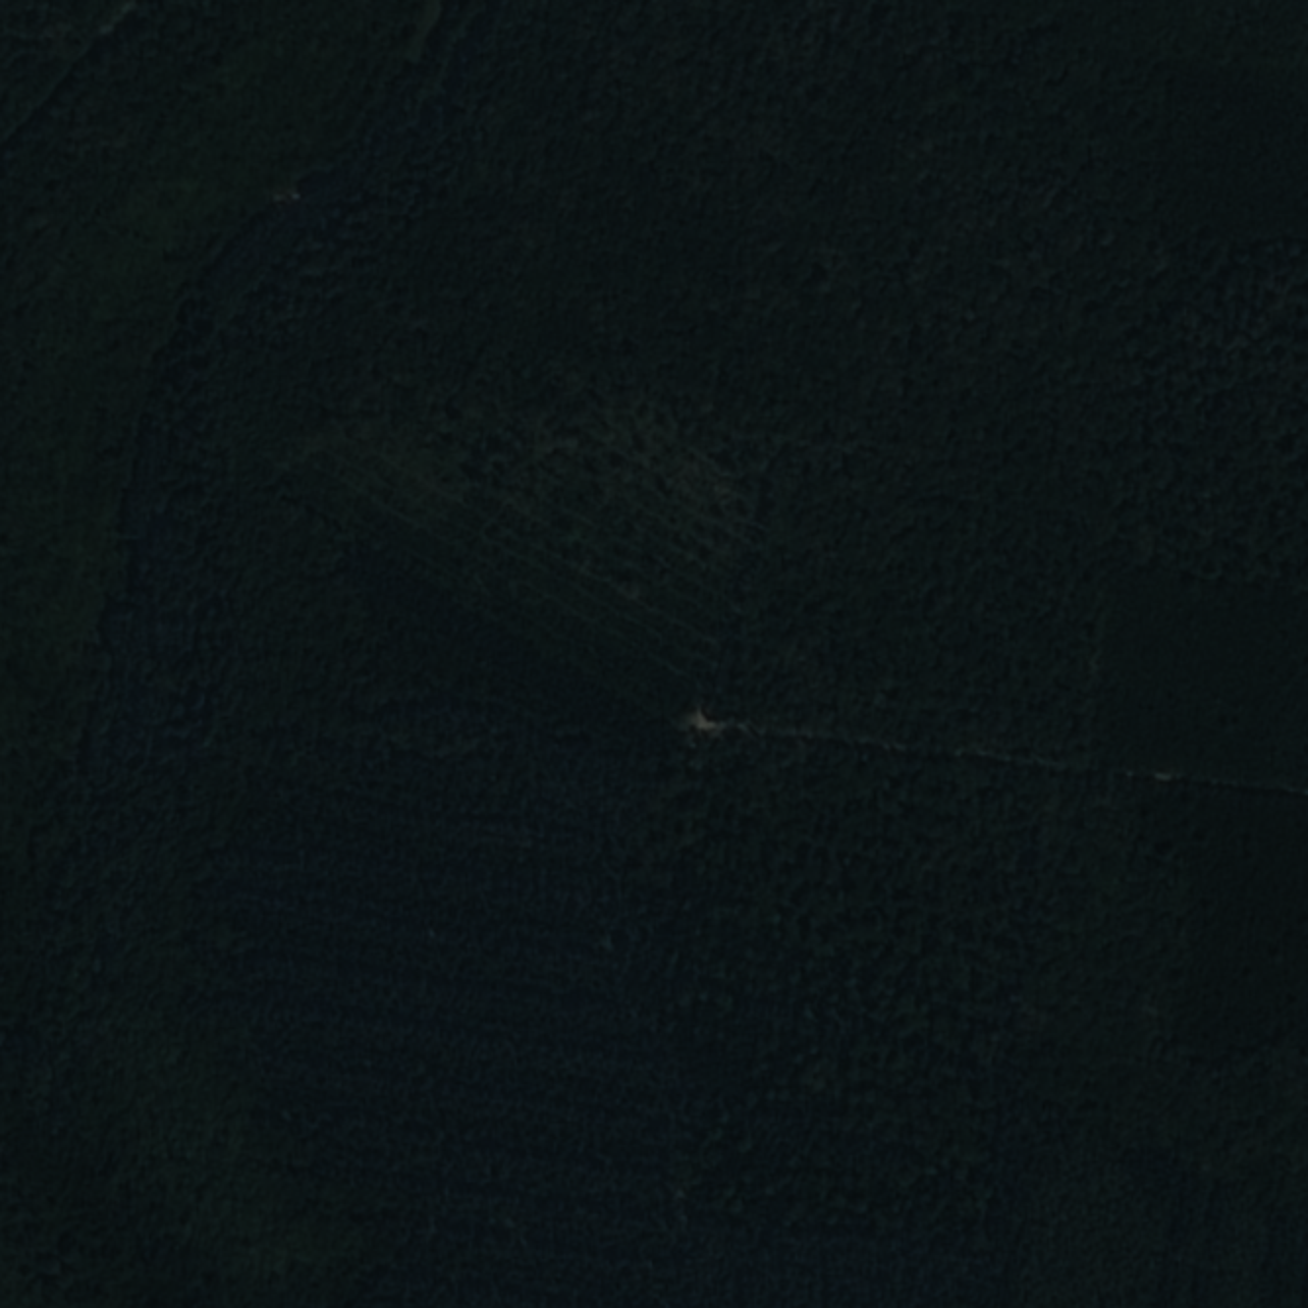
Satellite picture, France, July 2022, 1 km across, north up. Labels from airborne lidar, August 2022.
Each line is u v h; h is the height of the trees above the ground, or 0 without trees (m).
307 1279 18
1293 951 11
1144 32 18
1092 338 24
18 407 15
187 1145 13
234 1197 16
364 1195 14
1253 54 16
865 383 22
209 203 16
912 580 18
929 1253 25
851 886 20
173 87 19
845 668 19
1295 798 8
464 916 19
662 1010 19
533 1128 18
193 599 25
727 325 20
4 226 23
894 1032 19
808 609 15
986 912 19
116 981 21
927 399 21
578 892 28
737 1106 25
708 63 20
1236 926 11
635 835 19
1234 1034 12
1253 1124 20
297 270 25
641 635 6
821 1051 22
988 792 18
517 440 21
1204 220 12
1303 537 13
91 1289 24
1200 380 19
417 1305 18
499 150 19
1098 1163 18
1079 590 16
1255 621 10
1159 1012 20
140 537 11
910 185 22
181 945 14
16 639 19
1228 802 10
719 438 20
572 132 20
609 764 23
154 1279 15
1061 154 19
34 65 20
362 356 22
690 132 19
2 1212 29
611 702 13
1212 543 21
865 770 20
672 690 8
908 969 9
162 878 18
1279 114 14
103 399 23
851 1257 25
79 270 16
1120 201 20
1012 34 10
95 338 17
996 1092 21
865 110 20
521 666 17
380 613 15
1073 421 20
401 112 19
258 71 19
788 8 17
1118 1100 20
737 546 18
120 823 22
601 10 14
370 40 21
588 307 20
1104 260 19
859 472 20
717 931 16
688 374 19
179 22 21
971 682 20
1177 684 11
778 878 16
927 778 16
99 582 19
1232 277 20
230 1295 21
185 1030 14
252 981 14
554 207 21
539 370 16
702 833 15
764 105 21
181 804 20
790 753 20
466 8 19
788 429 25
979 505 18
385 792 12
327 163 21
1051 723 18
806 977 14
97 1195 18
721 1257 31
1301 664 10
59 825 23
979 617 19
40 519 19
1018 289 20
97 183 22
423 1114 14
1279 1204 21
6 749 24
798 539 20
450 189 20
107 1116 16
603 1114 26
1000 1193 22
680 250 16
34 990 15
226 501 23
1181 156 12
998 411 22
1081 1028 20
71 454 17
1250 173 12
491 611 8
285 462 17
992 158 20
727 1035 15
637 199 15
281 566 17
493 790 15
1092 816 20
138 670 25
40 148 20
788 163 16
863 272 21
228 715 18
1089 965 19
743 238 17
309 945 20
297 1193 11
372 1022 28
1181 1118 18
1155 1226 23
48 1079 27
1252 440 18
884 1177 9
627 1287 19
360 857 25
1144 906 20
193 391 30
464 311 18
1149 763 10
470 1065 14
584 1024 20
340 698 16
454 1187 26
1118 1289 16
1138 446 21
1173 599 11
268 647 17
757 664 18
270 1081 14
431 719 24
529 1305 28
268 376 16
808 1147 19
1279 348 15
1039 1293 21
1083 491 19
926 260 21
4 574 16
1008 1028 18
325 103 23
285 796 11
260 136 15
